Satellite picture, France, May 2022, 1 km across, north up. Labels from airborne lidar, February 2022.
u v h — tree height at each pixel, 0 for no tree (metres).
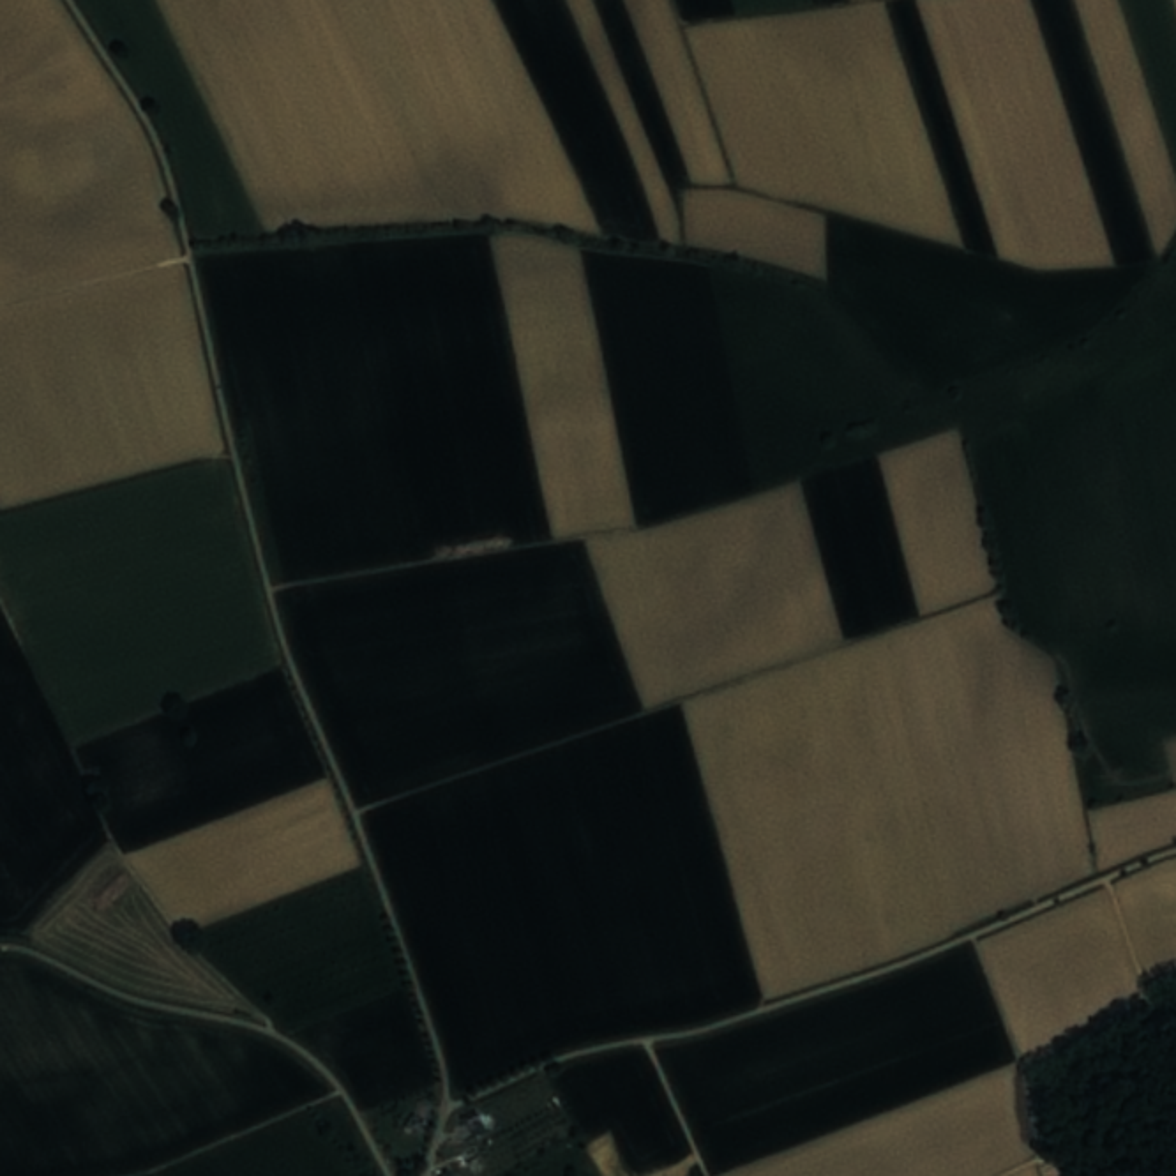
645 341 0
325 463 0
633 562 0
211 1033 0
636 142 0
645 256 0
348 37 0
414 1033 0
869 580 0
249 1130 0
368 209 0
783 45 0
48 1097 0
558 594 0
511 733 0
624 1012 0
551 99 0
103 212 0
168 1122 0
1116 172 0
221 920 0
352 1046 0
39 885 0
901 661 0
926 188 0
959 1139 0
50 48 0
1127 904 0
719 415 0
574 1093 0
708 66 0
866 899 0
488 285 0
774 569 0
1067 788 0
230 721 0
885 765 0
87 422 0
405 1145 0
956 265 0
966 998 0
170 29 0
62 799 0
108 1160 0
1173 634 0
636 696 0
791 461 0
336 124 0
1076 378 0
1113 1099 27
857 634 0
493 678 0
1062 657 0
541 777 0
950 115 0
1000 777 0
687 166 0
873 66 0
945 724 0
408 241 0
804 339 0
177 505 0
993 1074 0
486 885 0
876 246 0
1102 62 0
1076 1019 0
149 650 0
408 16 0
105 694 0
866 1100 0
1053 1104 26
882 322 0
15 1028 0
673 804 0
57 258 0
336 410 0
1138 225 0
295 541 0
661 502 0
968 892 0
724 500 0
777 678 0
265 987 0
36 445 0
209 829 0
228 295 0
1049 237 0
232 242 7
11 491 0
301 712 0
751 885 0
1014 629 12
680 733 0
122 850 0
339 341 0
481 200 0
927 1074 0
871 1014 0
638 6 0
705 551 0
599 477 0
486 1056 0
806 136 0
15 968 0
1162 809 0
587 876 0
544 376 0
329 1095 0
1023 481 0
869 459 0
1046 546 0
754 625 0
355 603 0
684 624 0
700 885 0
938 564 0
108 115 0
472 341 0
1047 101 0
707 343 0
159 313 0
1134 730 0
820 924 0
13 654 0
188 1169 0
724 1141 0
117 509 0
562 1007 0
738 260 10
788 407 0
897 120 0
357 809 0
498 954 0
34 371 0
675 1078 0
